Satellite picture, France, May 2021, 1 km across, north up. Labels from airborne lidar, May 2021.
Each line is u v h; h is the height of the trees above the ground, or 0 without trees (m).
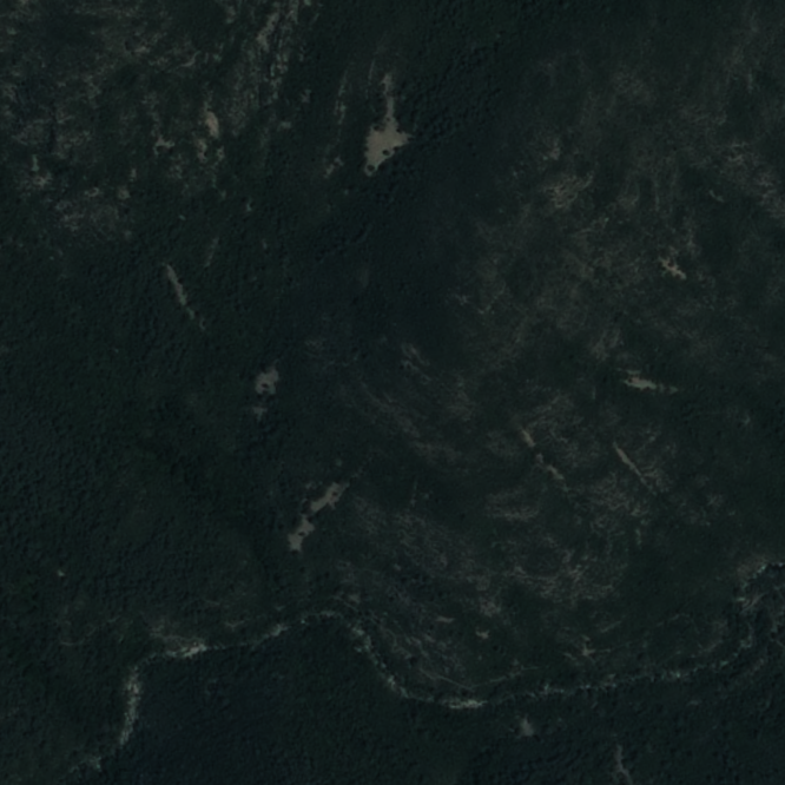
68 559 12
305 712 10
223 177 7
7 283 9
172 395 9
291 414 7
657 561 7
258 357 8
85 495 19
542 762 17
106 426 8
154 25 6
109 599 15
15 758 18
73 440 11
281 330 7
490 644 6
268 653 7
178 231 11
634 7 6
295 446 6
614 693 7
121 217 6
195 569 16
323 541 7
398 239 6
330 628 13
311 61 8
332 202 11
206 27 5
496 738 9
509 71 10
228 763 7
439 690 6
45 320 7
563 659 7
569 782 20
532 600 6
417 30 6
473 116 12
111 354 8
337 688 11
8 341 6
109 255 6
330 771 12
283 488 8
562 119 5
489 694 8
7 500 7
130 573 18
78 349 7
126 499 8
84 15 6
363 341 7
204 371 10
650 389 8
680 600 6
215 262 6
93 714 19
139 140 9
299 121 6
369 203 5
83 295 10
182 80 6
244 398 10
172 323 18
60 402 8
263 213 7
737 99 7
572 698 8
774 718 12
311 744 8
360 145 6
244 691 6
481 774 18
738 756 7
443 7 8
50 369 7
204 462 20
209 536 12
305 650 6
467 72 17
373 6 6
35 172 11
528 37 6
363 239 15
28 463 17
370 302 7
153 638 8
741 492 7
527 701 22
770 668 6
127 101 7
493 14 6
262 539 20
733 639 6
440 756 7
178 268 10
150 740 5
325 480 6
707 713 6
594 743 8
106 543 11
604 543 7
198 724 10
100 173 7
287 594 8
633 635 6
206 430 13
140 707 7
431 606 8
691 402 11
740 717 6
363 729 15
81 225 6
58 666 11
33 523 21
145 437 17
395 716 6
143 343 7
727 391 12
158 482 7
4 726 9
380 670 8
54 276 6
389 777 15
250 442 7
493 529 6
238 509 9
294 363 7
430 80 11
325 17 6
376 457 5
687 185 6
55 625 7
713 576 7
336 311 7
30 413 21
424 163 6
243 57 6
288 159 9
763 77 7
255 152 6
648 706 11
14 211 7
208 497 24
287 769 17
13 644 19
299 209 8
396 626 6
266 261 8
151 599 13
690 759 7
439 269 8
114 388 10
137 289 16
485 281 0
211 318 14
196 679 9
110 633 16
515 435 7
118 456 11
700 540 5
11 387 12
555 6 10
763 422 7
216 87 10
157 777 6
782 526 6
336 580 7
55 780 7
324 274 5
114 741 10
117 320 7
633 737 7
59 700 9
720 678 10
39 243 18
